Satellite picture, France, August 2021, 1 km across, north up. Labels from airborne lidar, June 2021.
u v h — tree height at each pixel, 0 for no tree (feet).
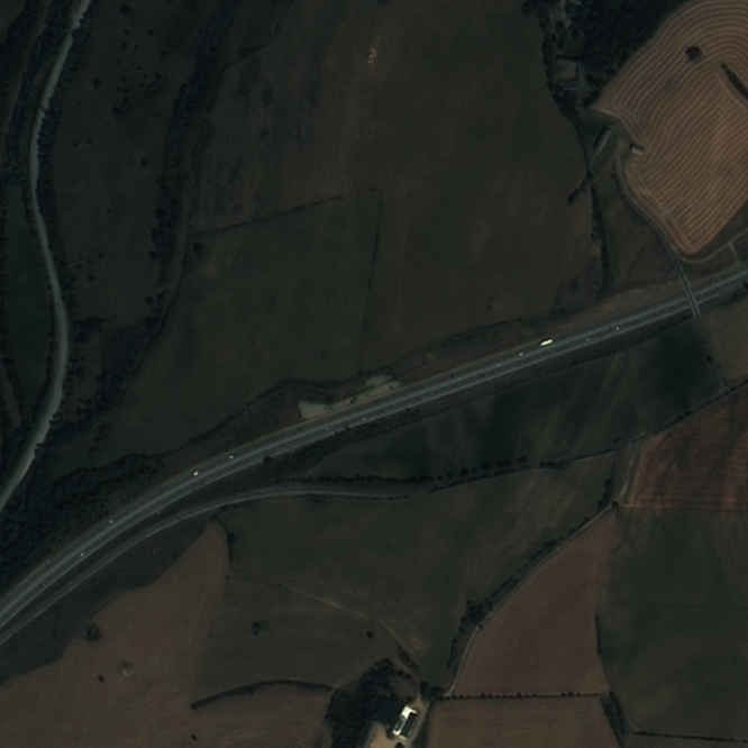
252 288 0
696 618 0
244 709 0
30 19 52
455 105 0
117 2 0
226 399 0
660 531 0
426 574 0
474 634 0
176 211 33
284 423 0
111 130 0
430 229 0
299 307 0
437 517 0
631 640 0
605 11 95
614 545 0
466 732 0
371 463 0
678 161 0
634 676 0
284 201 0
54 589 0
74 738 0
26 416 40
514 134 0
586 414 0
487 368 0
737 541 0
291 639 0
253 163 0
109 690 0
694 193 0
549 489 0
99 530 0
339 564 0
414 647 0
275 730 0
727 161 0
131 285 0
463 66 0
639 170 0
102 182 0
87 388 0
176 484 0
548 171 0
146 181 0
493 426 0
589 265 0
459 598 0
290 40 0
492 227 0
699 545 0
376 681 33
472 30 0
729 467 0
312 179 0
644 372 0
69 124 0
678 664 0
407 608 0
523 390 0
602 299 0
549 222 0
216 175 0
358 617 0
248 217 0
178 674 0
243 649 0
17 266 0
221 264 0
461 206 0
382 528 0
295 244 0
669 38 0
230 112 0
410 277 0
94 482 25
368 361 0
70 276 31
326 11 0
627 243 0
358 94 0
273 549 0
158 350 0
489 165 0
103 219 0
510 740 0
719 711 0
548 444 0
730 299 0
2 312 36
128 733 0
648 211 0
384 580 0
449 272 0
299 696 0
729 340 0
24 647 0
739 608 0
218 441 0
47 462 26
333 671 0
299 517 0
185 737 0
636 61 0
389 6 0
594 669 0
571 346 0
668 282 0
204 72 43
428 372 0
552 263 0
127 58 0
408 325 0
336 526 0
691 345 0
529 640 0
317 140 0
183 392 0
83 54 28
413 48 0
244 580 0
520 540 0
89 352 0
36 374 0
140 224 0
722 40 0
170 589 0
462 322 0
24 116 26
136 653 0
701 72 0
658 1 51
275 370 0
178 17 0
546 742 0
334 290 0
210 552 0
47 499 47
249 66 0
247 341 0
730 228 0
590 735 0
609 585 0
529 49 0
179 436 0
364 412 0
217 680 0
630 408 0
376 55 0
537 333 0
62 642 0
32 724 0
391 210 0
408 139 0
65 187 0
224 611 0
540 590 0
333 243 0
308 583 0
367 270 0
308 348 0
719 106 0
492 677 0
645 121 0
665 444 0
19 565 25
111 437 0
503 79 0
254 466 0
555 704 0
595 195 29
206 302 0
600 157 0
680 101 0
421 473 0
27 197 26
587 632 0
